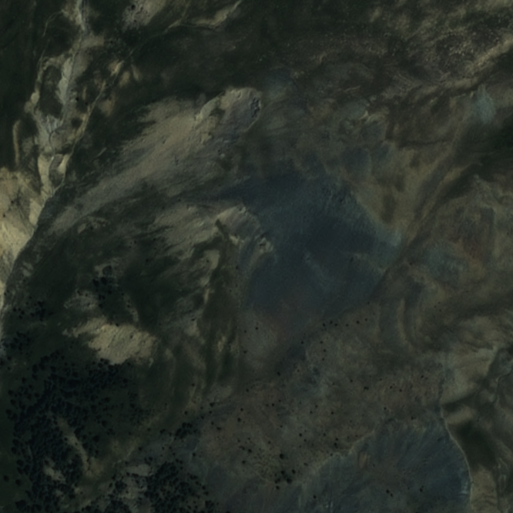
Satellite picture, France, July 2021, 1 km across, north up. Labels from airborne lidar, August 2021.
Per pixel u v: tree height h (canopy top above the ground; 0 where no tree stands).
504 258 0
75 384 21
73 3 0
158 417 0
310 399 0
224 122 0
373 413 0
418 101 0
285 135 0
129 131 0
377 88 0
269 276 0
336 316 0
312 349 0
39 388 0
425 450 0
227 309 0
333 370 0
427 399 0
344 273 0
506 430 0
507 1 0
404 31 0
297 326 0
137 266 0
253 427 0
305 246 0
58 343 0
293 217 0
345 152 0
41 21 0
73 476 15
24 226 0
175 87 0
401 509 0
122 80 0
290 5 0
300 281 0
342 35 0
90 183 0
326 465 0
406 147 0
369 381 0
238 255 0
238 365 0
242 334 0
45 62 0
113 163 0
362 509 0
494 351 0
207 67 0
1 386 0
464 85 0
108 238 0
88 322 0
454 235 0
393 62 0
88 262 0
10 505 0
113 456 0
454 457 0
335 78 0
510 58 0
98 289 8
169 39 0
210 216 0
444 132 0
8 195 0
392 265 0
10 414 19
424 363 0
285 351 0
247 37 0
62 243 0
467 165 0
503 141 0
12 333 0
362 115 0
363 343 0
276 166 0
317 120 0
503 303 0
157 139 0
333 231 0
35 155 0
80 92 0
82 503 0
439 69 0
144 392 0
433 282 0
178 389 0
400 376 0
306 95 0
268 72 0
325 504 0
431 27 0
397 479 0
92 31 0
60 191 0
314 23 0
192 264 0
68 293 0
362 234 0
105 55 0
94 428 0
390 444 0
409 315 0
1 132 0
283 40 0
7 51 0
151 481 11
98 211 0
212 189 0
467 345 0
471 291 0
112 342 0
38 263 0
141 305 0
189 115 0
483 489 0
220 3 0
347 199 0
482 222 0
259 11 0
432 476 0
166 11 0
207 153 0
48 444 11
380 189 0
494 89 0
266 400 0
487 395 0
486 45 0
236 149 0
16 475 0
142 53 0
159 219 0
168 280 0
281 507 0
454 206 0
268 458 0
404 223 0
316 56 0
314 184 0
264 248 0
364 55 0
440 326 0
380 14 0
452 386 0
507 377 0
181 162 0
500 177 0
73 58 0
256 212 0
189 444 0
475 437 0
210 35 0
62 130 0
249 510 0
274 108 0
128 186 0
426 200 0
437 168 0
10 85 0
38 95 0
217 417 0
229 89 0
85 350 0
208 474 0
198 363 0
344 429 0
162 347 0
